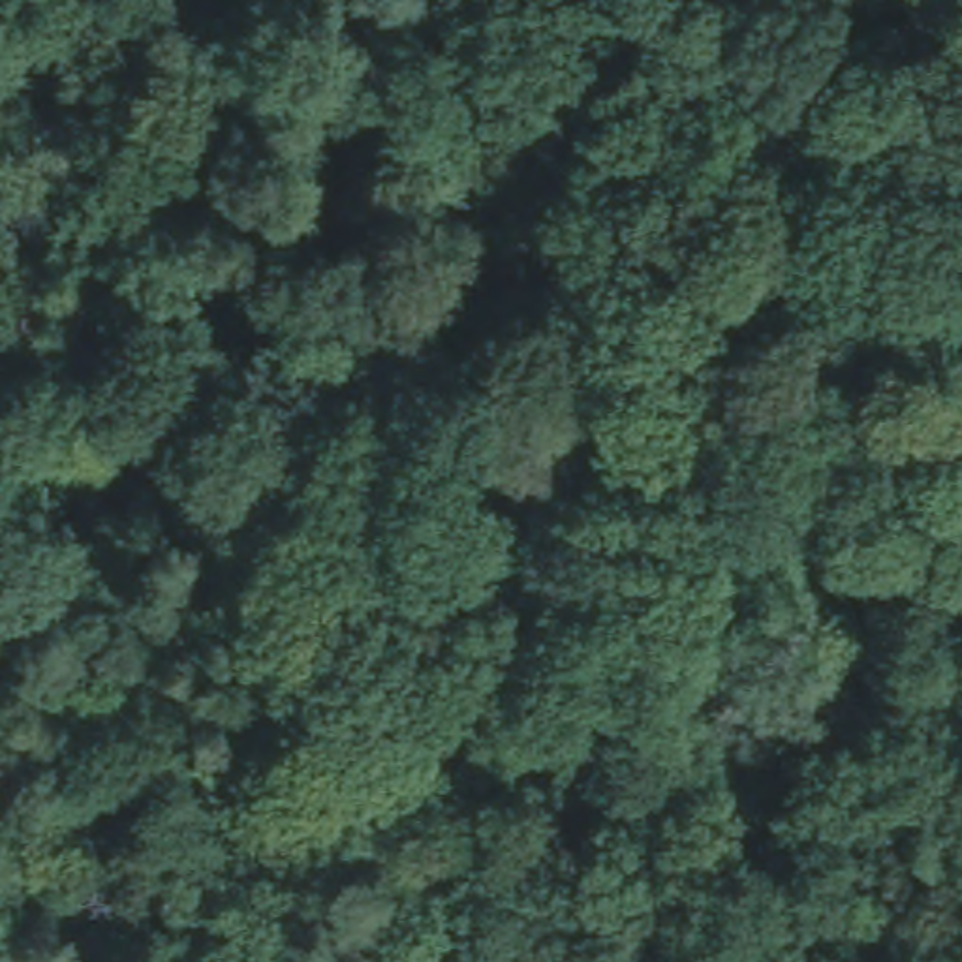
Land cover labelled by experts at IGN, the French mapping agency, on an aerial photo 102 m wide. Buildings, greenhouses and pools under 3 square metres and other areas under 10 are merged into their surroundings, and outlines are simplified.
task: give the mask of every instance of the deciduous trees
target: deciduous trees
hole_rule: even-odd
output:
[[[0,0],[0,962],[962,962],[962,0]]]

